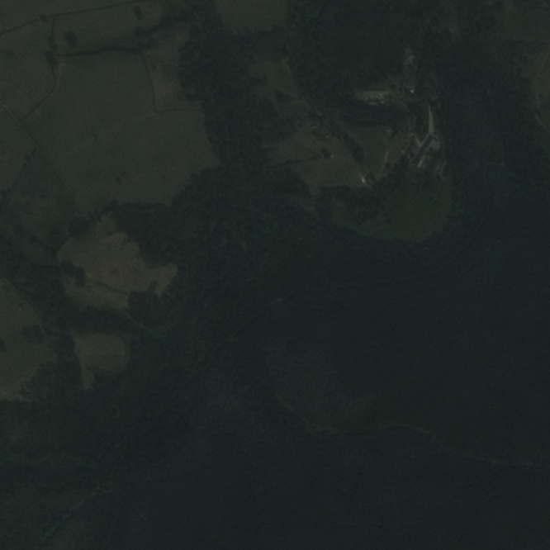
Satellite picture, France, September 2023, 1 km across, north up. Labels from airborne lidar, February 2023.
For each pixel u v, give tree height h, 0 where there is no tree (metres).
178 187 0
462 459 6
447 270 19
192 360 27
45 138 0
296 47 14
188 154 0
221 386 23
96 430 14
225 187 19
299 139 0
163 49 0
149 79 0
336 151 0
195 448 9
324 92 11
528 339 14
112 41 0
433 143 0
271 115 13
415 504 6
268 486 6
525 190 13
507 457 16
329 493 6
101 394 18
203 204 16
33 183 0
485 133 17
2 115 0
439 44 18
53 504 0
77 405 25
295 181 18
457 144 22
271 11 0
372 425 13
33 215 0
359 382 9
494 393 15
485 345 12
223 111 9
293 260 12
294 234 23
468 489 6
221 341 12
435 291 18
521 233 15
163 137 0
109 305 0
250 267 22
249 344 9
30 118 0
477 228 12
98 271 0
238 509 16
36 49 0
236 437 6
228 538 11
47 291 15
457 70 25
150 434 12
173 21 11
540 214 24
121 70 0
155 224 16
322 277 20
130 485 9
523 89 12
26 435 8
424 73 14
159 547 9
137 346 21
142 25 0
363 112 14
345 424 7
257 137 16
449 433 11
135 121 0
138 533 8
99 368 0
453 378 10
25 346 0
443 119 15
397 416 12
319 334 12
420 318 19
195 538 11
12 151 0
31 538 0
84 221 13
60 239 0
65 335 14
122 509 12
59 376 11
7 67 0
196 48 12
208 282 21
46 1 0
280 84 0
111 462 19
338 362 9
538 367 17
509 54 13
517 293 9
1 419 13
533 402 14
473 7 23
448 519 7
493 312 9
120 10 0
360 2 20
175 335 8
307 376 15
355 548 11
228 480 10
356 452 9
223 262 23
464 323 10
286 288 11
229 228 0
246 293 14
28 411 16
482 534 6
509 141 19
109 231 0
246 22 0
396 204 0
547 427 13
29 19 0
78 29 0
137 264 0
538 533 6
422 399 10
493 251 9
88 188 0
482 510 6
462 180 12
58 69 0
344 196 21
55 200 0
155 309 16
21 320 0
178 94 0
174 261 9
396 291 17
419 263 18
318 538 7
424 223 0
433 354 8
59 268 9
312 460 9
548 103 0
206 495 9
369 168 0
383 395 12
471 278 11
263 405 11
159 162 0
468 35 15
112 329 11
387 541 10
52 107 0
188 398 25
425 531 7
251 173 22
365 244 19
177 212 16
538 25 0
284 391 14
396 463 6
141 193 0
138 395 26
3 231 0
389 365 10
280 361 8
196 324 23
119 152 0
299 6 12
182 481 9
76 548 11
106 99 0
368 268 20
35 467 0
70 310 0
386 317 18
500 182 15
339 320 16
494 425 12
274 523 11
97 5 0
